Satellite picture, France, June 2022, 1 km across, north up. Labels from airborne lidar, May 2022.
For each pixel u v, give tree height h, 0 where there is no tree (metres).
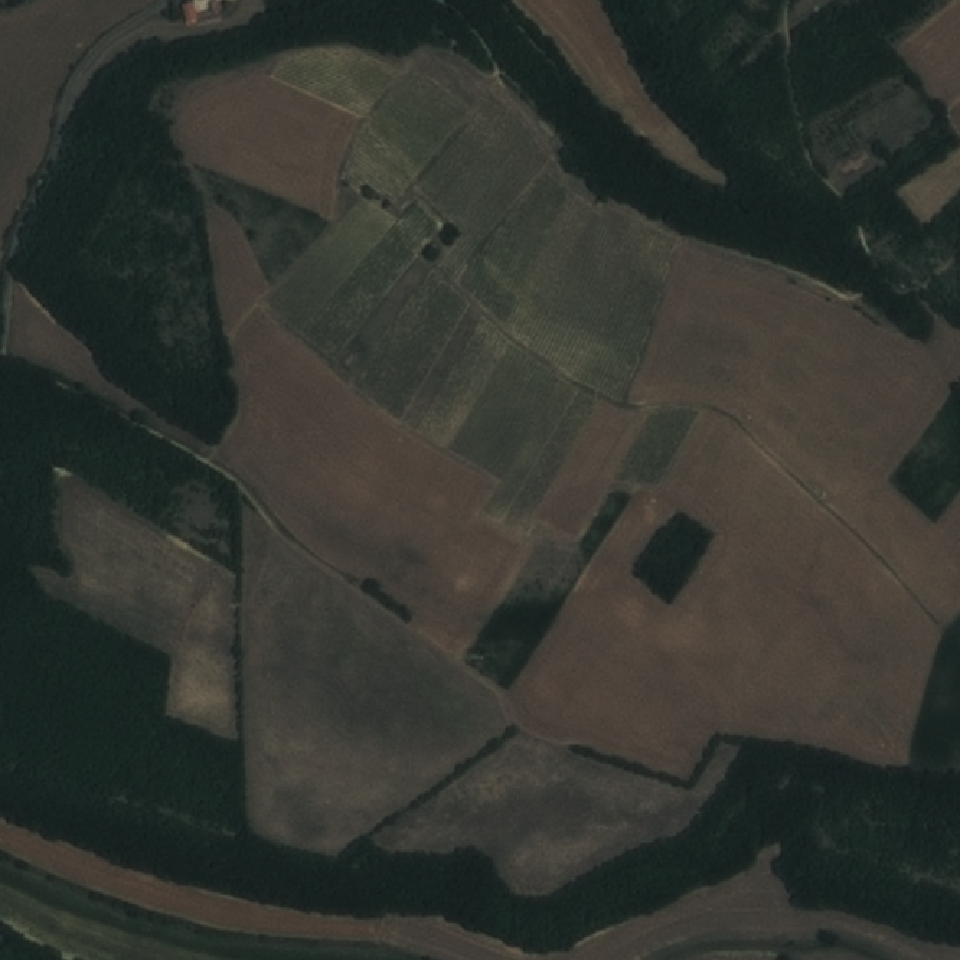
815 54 11
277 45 14
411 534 0
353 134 0
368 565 0
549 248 0
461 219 0
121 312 10
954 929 15
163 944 0
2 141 0
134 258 7
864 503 0
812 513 0
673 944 0
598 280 0
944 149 13
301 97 0
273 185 0
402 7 17
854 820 8
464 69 0
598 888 11
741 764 10
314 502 0
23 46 0
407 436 0
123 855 21
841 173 0
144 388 15
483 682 0
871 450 0
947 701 0
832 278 8
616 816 0
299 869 13
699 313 0
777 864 18
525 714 0
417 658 0
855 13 12
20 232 14
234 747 11
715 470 0
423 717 0
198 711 0
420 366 0
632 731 0
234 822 9
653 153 20
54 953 17
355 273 0
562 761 0
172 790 12
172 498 6
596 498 0
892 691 0
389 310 0
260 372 0
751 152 7
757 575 0
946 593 0
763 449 0
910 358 0
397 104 0
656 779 8
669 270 0
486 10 20
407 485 0
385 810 0
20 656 12
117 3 0
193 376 6
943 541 0
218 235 0
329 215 0
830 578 0
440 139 0
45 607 12
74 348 0
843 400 0
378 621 0
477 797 0
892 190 11
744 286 0
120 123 12
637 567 7
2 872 0
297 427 0
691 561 13
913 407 0
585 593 0
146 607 0
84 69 0
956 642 0
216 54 13
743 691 0
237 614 6
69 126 11
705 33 10
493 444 0
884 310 13
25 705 11
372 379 0
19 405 16
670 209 15
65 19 0
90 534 0
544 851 0
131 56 12
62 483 0
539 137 0
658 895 13
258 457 0
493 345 0
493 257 0
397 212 0
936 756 0
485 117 0
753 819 15
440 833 0
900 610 0
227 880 19
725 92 11
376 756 0
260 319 0
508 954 0
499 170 0
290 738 0
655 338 0
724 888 0
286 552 0
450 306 0
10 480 16
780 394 0
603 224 0
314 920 0
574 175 7
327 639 0
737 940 0
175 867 21
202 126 0
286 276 0
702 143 12
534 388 0
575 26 0
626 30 10
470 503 0
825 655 0
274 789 0
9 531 15
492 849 0
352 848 11
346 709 0
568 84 11
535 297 0
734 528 0
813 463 0
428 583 0
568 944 12
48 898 0
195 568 0
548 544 0
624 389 0
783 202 16
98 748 12
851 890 11
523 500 0
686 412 0
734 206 15
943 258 6
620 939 0
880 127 0
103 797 9
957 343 0
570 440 0
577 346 0
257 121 0
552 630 0
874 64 13
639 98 0
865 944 0
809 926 0
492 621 0
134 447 12
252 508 7
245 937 6
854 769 14
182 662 0
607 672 0
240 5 0
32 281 19
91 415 17
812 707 0
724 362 0
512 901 11
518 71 11
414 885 13
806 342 0
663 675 0
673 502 0
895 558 0
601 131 20
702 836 9
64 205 17
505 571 0
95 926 0
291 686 0
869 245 7
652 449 0
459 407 0
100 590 0
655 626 0
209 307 8
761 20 9
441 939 0
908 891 11
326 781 0
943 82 0
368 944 0
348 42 10
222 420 11
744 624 0
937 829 10
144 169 8
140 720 12
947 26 0
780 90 11
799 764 12
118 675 10
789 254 12
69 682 10
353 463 0
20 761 12
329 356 0
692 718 0
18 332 0
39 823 18
